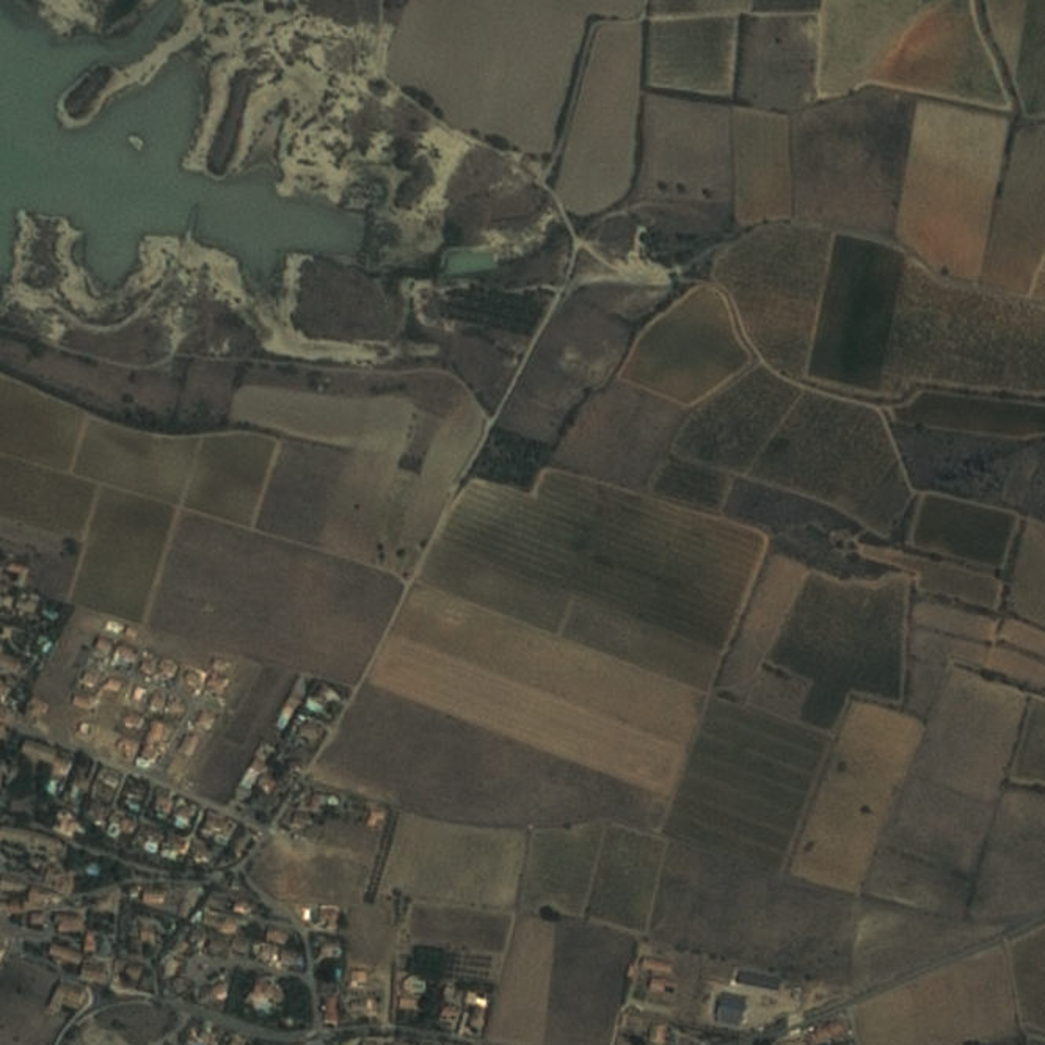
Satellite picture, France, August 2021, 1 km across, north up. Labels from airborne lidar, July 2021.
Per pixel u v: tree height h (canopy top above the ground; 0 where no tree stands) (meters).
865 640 0
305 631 0
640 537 0
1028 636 0
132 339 0
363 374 0
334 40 0
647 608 0
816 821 0
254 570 0
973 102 0
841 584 0
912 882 0
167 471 0
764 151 0
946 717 0
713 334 0
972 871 0
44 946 6
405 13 0
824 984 0
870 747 0
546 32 0
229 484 0
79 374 0
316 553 0
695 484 0
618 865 0
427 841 0
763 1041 7
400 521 0
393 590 0
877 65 0
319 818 7
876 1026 0
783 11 0
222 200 0
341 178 0
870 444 0
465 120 0
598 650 0
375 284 0
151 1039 0
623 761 0
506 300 6
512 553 0
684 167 0
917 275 0
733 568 0
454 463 0
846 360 0
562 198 0
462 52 0
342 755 0
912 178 0
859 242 0
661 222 0
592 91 0
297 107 0
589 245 0
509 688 0
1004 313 0
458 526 0
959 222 0
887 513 0
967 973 0
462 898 0
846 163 0
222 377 0
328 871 0
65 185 0
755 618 0
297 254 0
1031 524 0
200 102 0
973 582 0
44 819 11
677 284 6
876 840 0
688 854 0
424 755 0
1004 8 0
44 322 0
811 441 0
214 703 0
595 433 0
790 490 0
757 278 0
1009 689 0
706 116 0
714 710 0
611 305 0
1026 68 0
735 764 0
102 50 0
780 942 0
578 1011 0
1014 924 0
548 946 0
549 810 0
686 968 0
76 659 0
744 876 0
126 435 0
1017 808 0
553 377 0
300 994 9
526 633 0
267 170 0
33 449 0
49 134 0
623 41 0
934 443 0
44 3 0
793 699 0
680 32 0
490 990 6
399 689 0
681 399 0
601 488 0
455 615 0
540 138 0
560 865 0
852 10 0
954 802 0
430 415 0
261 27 0
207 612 0
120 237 0
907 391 7
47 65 0
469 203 0
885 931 0
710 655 0
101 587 0
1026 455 0
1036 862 0
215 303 0
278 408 0
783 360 0
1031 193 0
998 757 0
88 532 0
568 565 0
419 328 0
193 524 0
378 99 0
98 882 8
